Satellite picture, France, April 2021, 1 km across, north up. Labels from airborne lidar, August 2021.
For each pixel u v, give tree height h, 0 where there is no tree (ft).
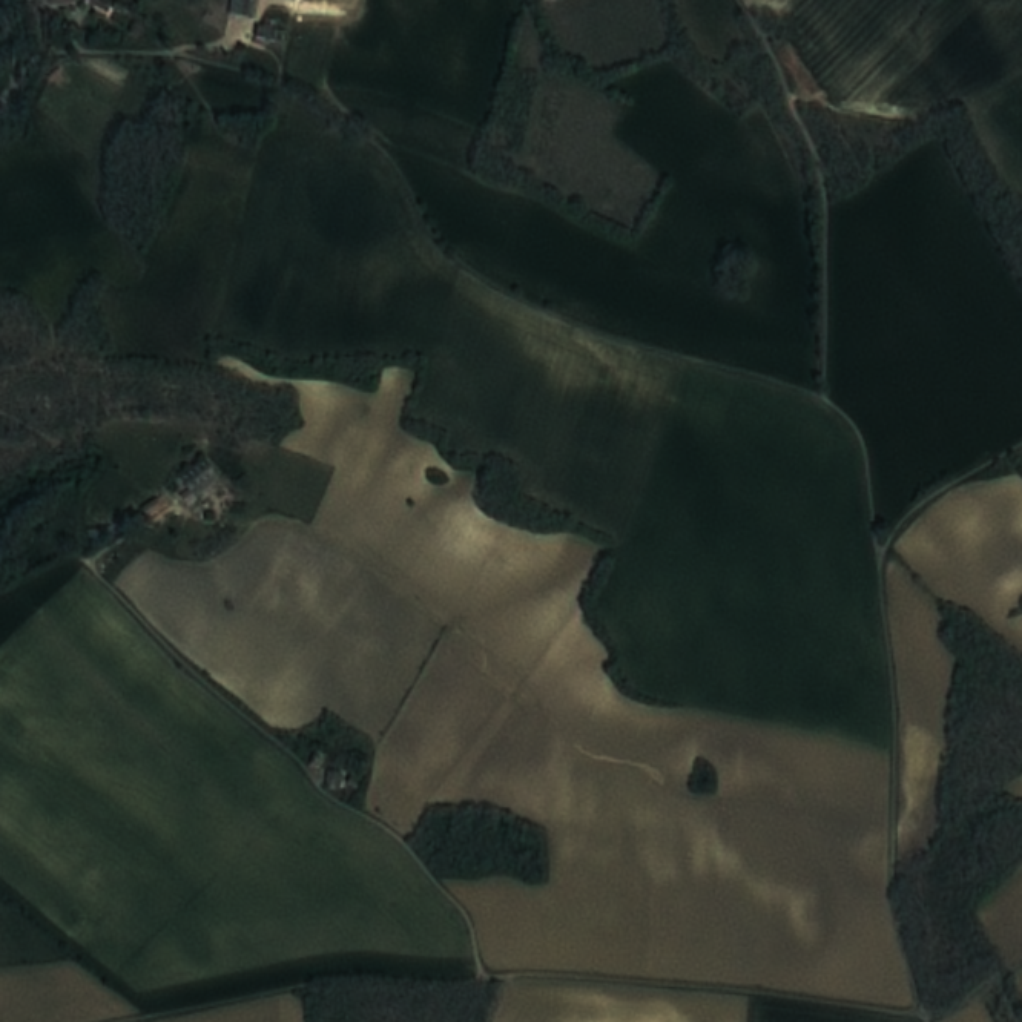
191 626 0
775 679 0
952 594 0
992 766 56
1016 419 0
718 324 0
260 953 0
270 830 0
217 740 0
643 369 0
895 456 0
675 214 0
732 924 0
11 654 0
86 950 0
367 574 0
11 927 0
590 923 0
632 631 0
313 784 0
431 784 0
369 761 33
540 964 0
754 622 0
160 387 34
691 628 0
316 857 0
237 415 47
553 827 0
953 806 61
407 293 0
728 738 0
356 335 0
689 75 45
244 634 0
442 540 0
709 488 0
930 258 0
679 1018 0
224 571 0
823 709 0
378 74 0
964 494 0
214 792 0
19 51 60
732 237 0
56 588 0
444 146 0
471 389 0
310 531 0
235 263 0
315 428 0
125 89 0
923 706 0
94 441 26
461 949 0
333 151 0
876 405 0
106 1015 0
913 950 43
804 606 0
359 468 0
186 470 25
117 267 0
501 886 0
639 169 0
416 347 0
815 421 0
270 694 0
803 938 0
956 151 68
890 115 0
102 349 36
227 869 0
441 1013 48
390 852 0
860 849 0
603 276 0
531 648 0
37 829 0
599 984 0
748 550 0
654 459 0
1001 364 0
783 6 0
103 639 0
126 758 0
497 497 47
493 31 0
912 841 0
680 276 0
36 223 0
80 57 44
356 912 0
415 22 0
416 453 0
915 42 0
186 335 0
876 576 0
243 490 0
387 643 0
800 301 0
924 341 0
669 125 0
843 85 0
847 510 0
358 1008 55
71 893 0
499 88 32
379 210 0
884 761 0
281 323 0
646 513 0
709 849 0
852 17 0
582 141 0
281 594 0
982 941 37
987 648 66
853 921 0
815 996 0
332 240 0
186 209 0
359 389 30
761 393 0
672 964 0
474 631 0
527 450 0
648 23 0
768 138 0
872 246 0
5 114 51
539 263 0
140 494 0
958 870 32
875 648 0
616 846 0
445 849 43
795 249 0
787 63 0
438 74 0
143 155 54
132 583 0
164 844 0
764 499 0
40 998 0
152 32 0
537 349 0
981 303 0
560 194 37
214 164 0
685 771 0
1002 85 0
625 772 0
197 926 0
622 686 39
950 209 0
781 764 0
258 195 0
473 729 0
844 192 52
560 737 0
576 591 0
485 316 0
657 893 0
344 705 0
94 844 0
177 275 0
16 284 0
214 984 0
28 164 0
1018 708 28
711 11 0
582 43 0
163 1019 0
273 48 0
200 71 0
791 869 0
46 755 0
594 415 0
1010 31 0
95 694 0
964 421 0
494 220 0
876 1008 0
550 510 33
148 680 0
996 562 0
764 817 0
